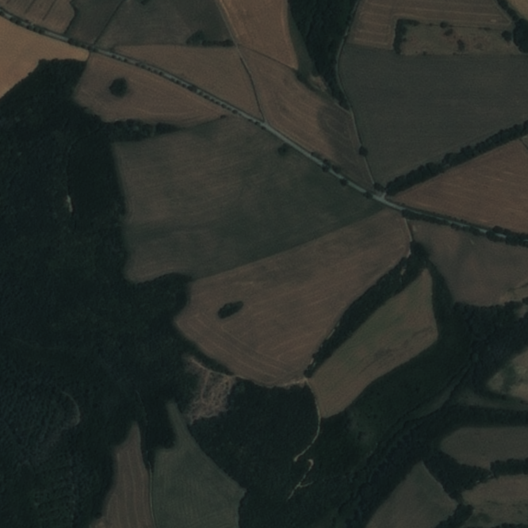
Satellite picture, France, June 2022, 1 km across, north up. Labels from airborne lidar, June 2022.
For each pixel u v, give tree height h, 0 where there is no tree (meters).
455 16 0
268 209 0
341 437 10
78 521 21
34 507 13
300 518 20
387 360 0
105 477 6
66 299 17
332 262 0
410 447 21
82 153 10
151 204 0
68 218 21
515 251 0
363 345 0
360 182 0
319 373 0
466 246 0
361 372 0
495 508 0
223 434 18
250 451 18
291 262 0
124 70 0
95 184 9
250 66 0
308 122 0
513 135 12
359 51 0
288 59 0
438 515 0
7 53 0
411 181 16
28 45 0
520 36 20
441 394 9
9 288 14
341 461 7
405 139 0
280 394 10
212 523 0
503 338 25
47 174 17
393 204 0
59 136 24
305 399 14
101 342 22
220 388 0
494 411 9
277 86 0
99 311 16
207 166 0
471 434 0
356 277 0
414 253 13
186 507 0
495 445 0
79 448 26
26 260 16
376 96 0
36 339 15
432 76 0
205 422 16
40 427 16
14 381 21
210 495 0
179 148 0
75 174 11
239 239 0
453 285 0
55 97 17
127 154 0
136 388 15
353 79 0
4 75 0
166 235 0
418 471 0
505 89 0
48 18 0
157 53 0
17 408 16
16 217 25
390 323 0
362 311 18
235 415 17
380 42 0
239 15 0
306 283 0
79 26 0
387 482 21
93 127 24
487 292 0
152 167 0
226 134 0
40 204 20
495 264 0
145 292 16
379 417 15
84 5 0
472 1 0
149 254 0
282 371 0
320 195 0
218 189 0
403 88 0
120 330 25
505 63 0
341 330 6
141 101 0
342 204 0
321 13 10
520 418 11
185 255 0
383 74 0
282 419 13
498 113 0
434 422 18
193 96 0
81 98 0
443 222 11
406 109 0
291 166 0
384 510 0
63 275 18
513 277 0
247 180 0
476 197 0
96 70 0
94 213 15
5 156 18
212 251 0
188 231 0
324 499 17
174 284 17
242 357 0
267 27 0
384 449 16
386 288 17
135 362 13
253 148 0
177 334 11
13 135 19
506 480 0
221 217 0
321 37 18
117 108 0
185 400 13
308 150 0
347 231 0
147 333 17
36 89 11
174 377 17
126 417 6
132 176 0
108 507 0
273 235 0
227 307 9
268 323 0
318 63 15
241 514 12
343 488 19
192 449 0
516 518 0
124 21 0
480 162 0
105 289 16
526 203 0
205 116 0
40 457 13
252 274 0
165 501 0
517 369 0
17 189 19
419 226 0
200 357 7
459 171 0
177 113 0
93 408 7
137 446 0
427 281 0
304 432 16
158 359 14
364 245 0
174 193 0
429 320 0
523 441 0
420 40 0
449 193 0
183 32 0
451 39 0
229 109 8
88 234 19
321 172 0
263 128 7
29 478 18
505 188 0
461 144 0
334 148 0
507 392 0
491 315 19
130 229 0
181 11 0
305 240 0
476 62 0
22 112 18
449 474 24
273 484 19
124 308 15
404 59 0
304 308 0
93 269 12
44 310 17
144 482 0
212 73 0
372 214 0
